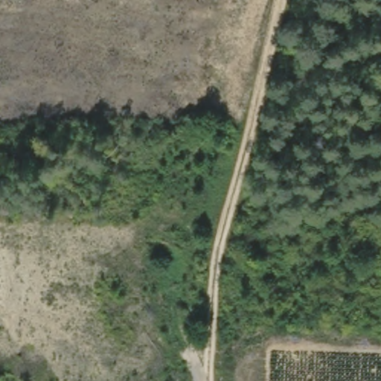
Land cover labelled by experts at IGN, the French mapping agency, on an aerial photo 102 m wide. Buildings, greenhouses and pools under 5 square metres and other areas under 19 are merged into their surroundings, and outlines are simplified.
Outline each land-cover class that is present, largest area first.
<instances>
[{"label":"herbaceous vegetation","instance_id":"1","mask_svg":"<svg viewBox=\"0 0 381 381\"><path fill-rule=\"evenodd\" d=\"M274 0H0V118L13 119L21 115H34L42 103H61L67 110L82 109L83 112H89L101 100L106 101L110 107H115L118 113H121L122 106L127 104L131 106V112L137 115L147 113L149 116H155L164 113L168 118L177 113L185 118H202L217 124H226L234 116L244 127L249 118L254 82L265 46ZM125 179L122 174L110 177V183L115 186L116 192L122 193L121 198L112 199V195H104L107 204L95 208L92 213L73 214V223L57 225L52 222L51 225H40L37 222H0V381H150L146 368L158 371L164 368L162 353L165 351V345L161 341L162 333L159 329L161 326H170V311L167 298L158 287V278L152 277L149 271L158 265V260L171 262V252L176 249L182 252L185 268L188 265H198L199 257L192 254L196 247L193 246L192 240H180L174 232L167 229L179 219L183 211L180 202L167 196L159 198L158 204L141 208L138 219L134 220L132 207L135 202H140V199L135 193L134 186H128L124 182ZM275 350L381 354V345L369 344L368 336H363L359 344L347 347L304 341L298 336L272 338L260 344L247 345V356L238 360L235 366V381H269L271 354Z\"/></svg>","mask_w":381,"mask_h":381},{"label":"coniferous trees","instance_id":"2","mask_svg":"<svg viewBox=\"0 0 381 381\"><path fill-rule=\"evenodd\" d=\"M275 52L269 61L265 97L257 113L256 138L249 141L246 146L250 152L249 164L244 173L240 199L235 208L226 243L235 252L247 253L252 260H265L268 256L266 249L271 244L268 237L296 235L295 229L299 228L301 223L320 228L332 219L344 222L342 213L347 211H356L359 217L381 214V0H287L286 10L281 13L272 36ZM137 115L131 112V106L127 104L122 106L121 113H118L115 107H110L106 101L101 100L89 112H83L82 109L67 110L61 103H42L34 115H21L13 119L0 118V222H37L40 225H51L52 222L57 225L73 223V214L92 213L95 208L107 204L104 195H112V199L121 198L122 193L116 192L115 186L110 183V177L122 174L125 179H129V162H125L124 159L125 156H129V143L135 140L131 125Z\"/></svg>","mask_w":381,"mask_h":381},{"label":"deciduous trees","instance_id":"3","mask_svg":"<svg viewBox=\"0 0 381 381\"><path fill-rule=\"evenodd\" d=\"M226 124H217L202 118H185V127L176 131L182 140L183 149H202L204 152H219L225 156L228 155L229 149L222 146L220 141L225 138ZM344 222L332 219L320 228L301 223L299 228L295 229L296 235L268 237L271 244L266 249L268 256L265 260H252L247 253L235 252L226 243L220 262L217 339L222 344L237 341L244 330L253 333L256 330H265L272 338L298 336L301 327L308 330L318 329L320 321L330 324L332 330L341 336H368L369 344L381 345V214L359 217L356 211H347L342 213Z\"/></svg>","mask_w":381,"mask_h":381},{"label":"brushwood","instance_id":"4","mask_svg":"<svg viewBox=\"0 0 381 381\"><path fill-rule=\"evenodd\" d=\"M185 127V118L177 113L168 118L164 113L155 116H149L147 113L137 115L131 125L135 140L129 143V156H125L124 159L125 162H129V179H125L124 182L128 186H134L135 193L140 199V202H135L132 207L134 220L138 219L141 208L158 204L159 198L167 196L180 202L183 211L179 219L167 229L174 232L180 240H192L193 246L196 247L192 254L199 257L198 265H188L185 268L182 252L176 249L171 252V262L158 260V265L149 271L152 277L158 278V287L167 298L170 311V326H161L159 329L162 333L161 341L165 345V351L162 353L164 368L158 371L146 368L150 381H193L188 362L183 359L182 353L190 347L204 350L210 339L213 310L207 287L211 250L237 162L244 127L234 116L226 124L225 138L220 141L222 146L229 149L228 155L225 156L219 152H204L202 149H183L182 140L176 131ZM304 341L347 347L359 344L363 336H341L332 330L330 324L320 321L318 329L308 330L301 327L298 336ZM272 338L265 330H256L253 333L244 330L237 341L222 344L217 339L214 381H235V366L238 360L247 356V345L260 344Z\"/></svg>","mask_w":381,"mask_h":381},{"label":"pervious surface","instance_id":"5","mask_svg":"<svg viewBox=\"0 0 381 381\"><path fill-rule=\"evenodd\" d=\"M287 0H274L265 46L254 82L249 118L244 127L237 162L211 250L207 287L213 310L210 339L204 350L190 347L182 353L183 359L188 362L193 381H214L217 339L220 262L226 243L235 208L240 199L244 173L249 164L250 152L246 146L249 141L256 138L257 113L265 97L269 61L275 52L272 36L281 13L286 10Z\"/></svg>","mask_w":381,"mask_h":381},{"label":"vineyard","instance_id":"6","mask_svg":"<svg viewBox=\"0 0 381 381\"><path fill-rule=\"evenodd\" d=\"M269 381H381V354L275 350L271 354Z\"/></svg>","mask_w":381,"mask_h":381}]
</instances>
